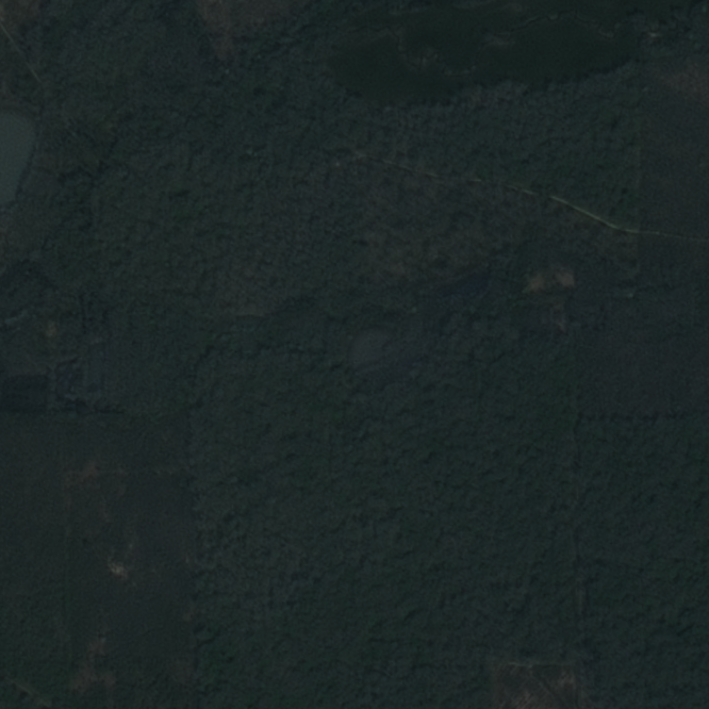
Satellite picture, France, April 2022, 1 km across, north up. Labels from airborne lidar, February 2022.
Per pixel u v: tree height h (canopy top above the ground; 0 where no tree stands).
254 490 24
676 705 22
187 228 29
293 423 31
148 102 20
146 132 25
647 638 20
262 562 26
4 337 18
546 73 0
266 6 0
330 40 22
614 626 21
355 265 26
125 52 29
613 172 28
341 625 26
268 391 21
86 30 21
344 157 21
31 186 24
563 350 26
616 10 0
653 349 16
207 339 16
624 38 0
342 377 24
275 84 22
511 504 24
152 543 7
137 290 22
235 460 30
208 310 25
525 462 30
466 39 0
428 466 24
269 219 25
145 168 27
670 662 22
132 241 21
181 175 31
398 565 24
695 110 13
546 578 23
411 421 24
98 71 28
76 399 17
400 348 6
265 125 26
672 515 26
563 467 25
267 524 28
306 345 7
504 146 25
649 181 15
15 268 19
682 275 24
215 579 23
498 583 24
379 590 24
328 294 24
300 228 28
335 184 25
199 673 18
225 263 25
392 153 24
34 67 26
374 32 0
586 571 23
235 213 25
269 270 24
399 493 25
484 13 0
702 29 23
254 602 25
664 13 0
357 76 0
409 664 27
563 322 0
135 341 27
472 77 0
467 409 25
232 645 22
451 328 22
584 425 18
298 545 27
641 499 20
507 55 0
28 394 20
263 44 24
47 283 19
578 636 15
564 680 0
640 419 21
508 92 20
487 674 20
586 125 25
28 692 0
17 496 14
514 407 25
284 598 26
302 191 23
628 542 27
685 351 16
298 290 24
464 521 26
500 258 24
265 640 26
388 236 23
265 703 28
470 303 19
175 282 23
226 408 27
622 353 14
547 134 31
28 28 0
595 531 27
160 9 25
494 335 27
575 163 27
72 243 27
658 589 23
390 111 21
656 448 25
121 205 24
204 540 20
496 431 26
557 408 23
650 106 15
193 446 23
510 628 24
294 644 26
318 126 26
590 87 26
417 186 29
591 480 24
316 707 27
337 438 21
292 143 22
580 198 27
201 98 14
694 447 23
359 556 31
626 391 15
